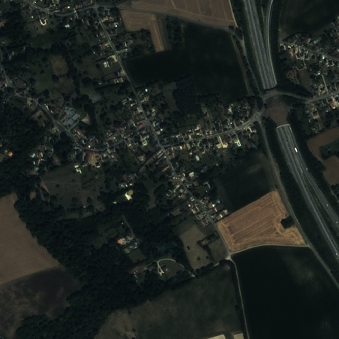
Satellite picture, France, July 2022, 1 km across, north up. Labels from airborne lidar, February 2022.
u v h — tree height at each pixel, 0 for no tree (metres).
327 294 0
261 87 7
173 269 0
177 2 0
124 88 19
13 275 0
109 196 18
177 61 0
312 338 0
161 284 16
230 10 0
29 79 0
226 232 0
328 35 12
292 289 0
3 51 21
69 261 15
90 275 17
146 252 26
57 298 0
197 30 0
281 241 0
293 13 0
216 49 0
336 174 0
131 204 18
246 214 0
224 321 0
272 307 0
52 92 0
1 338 0
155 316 0
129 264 8
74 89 0
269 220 0
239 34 7
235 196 0
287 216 0
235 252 0
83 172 0
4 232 0
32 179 24
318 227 0
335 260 0
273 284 0
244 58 9
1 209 0
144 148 0
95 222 8
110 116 0
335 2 0
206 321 0
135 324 0
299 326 0
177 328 0
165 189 14
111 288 21
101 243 7
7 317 0
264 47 0
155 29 0
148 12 0
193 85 11
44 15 6
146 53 0
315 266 0
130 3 0
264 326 0
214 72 0
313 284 0
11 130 19
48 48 0
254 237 0
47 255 0
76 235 20
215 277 0
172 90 0
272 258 0
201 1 0
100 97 0
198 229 0
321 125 0
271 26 6
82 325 18
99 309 21
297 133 8
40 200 24
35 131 19
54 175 0
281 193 0
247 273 0
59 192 0
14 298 0
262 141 6
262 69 0
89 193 0
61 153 25
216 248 0
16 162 20
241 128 0
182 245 18
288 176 11
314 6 0
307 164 8
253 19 0
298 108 11
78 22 16
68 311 18
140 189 18
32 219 18
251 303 0
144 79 0
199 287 0
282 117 0
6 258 0
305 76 0
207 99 11
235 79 0
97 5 0
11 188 24
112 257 14
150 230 22
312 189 0
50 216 17
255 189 0
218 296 0
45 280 0
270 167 0
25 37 8
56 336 17
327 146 0
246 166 0
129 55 7
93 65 0
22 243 0
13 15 17
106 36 0
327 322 0
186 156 0
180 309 0
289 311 0
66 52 11
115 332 0
